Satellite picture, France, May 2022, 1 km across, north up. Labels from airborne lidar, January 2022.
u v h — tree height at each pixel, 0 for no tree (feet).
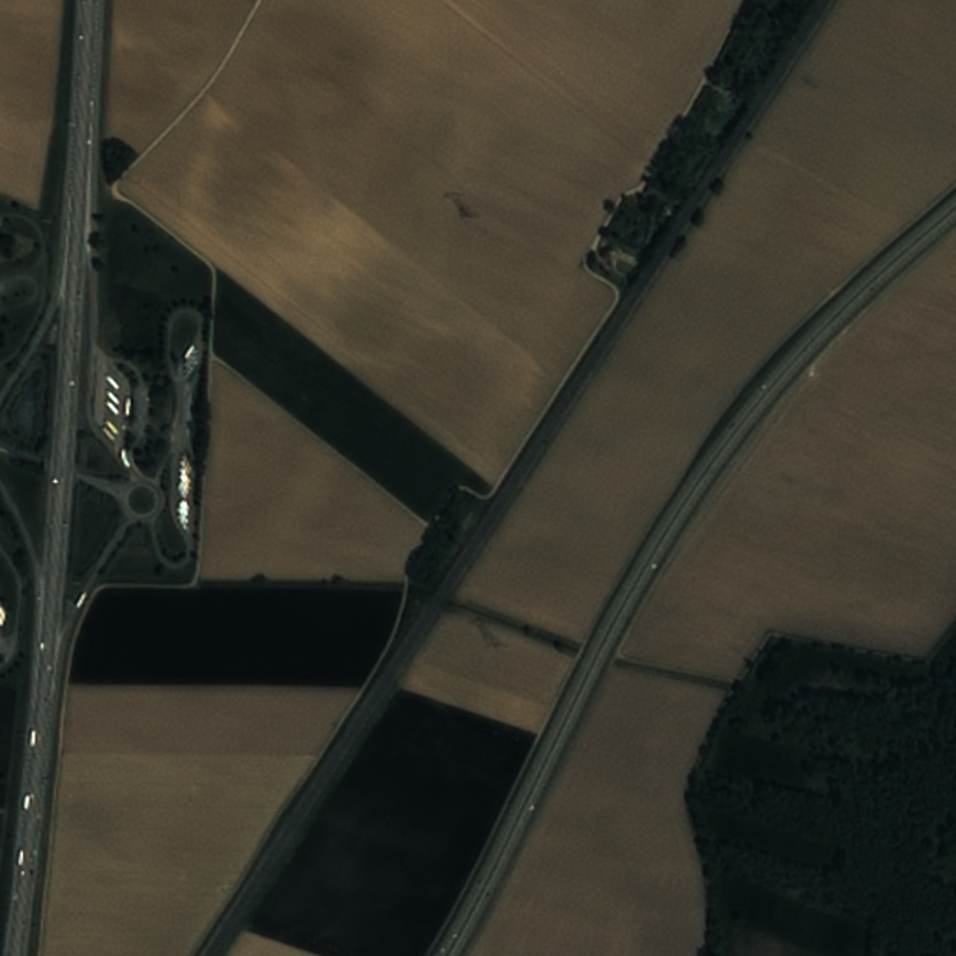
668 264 0
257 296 0
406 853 0
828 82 0
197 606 0
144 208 0
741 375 0
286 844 0
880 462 0
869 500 0
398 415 0
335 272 0
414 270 0
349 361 0
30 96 0
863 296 0
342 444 0
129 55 0
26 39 0
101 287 0
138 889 0
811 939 0
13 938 0
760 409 0
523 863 0
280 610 0
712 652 0
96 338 0
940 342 0
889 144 0
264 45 0
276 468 0
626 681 0
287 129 0
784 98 0
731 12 0
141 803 0
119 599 0
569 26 0
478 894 0
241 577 0
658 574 0
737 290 0
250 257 0
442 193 0
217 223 0
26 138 0
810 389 0
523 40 0
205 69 0
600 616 0
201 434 48
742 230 0
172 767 0
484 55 0
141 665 0
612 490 0
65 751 0
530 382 0
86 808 0
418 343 0
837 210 0
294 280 0
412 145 0
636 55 0
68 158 0
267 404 0
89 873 0
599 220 0
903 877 65
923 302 0
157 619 0
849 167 0
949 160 0
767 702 0
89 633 0
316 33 0
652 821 0
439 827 0
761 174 0
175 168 0
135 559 0
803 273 0
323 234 0
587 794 0
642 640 0
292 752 0
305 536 0
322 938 0
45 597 0
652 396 0
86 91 0
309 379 0
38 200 0
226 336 0
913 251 0
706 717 0
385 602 0
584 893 0
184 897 0
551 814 0
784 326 0
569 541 0
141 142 0
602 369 0
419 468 0
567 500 0
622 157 0
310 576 0
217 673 0
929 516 0
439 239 0
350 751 0
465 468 0
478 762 0
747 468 0
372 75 0
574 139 0
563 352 0
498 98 0
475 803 0
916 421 0
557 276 0
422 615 0
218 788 0
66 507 0
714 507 0
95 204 0
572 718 0
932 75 0
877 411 0
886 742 69
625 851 0
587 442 0
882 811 79
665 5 0
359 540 0
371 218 0
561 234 0
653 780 0
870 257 0
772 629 0
